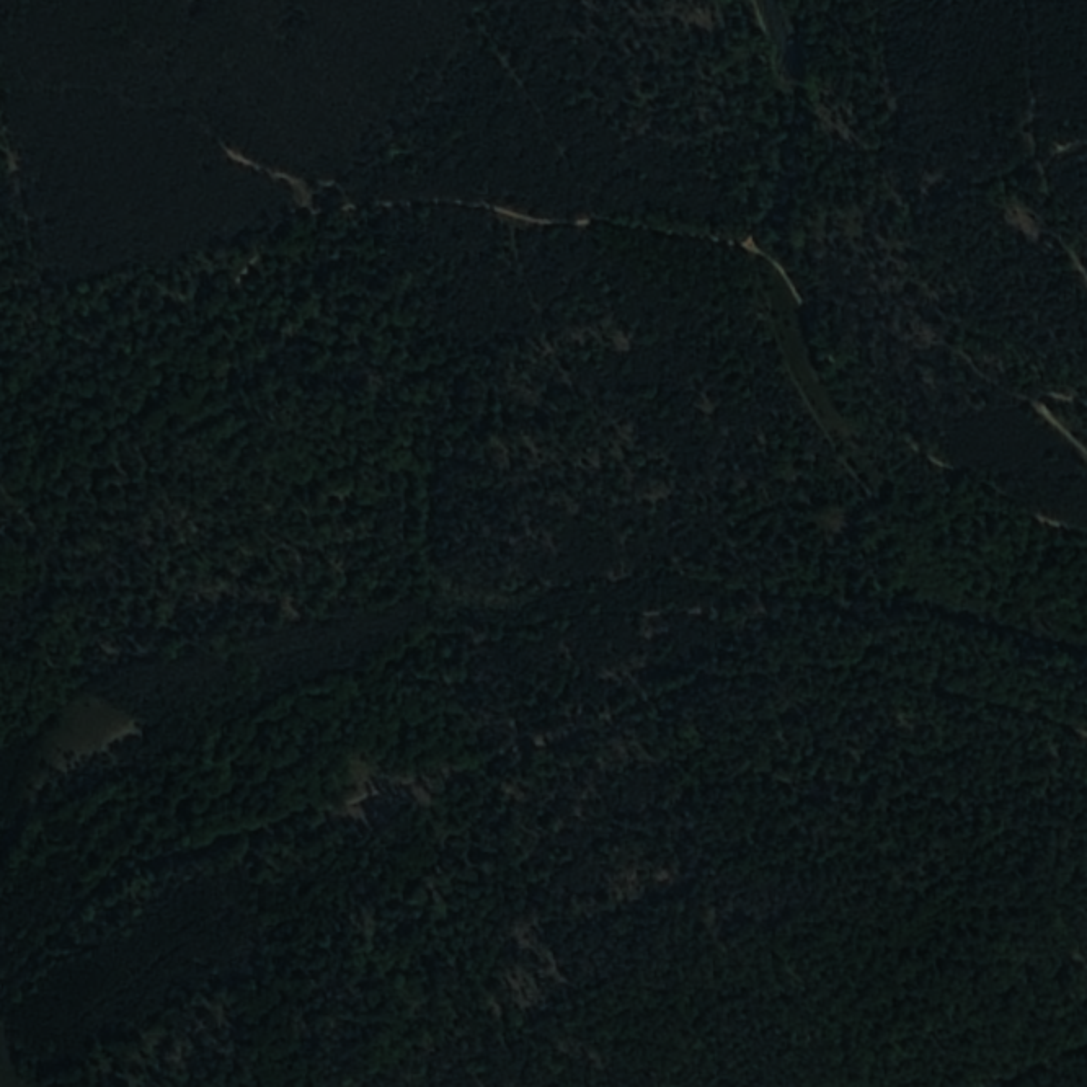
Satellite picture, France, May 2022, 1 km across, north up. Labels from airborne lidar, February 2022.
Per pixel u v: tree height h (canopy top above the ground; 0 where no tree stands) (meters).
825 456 7
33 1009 15
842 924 28
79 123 17
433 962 18
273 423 31
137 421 36
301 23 21
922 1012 27
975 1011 26
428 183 11
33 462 32
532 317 10
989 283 25
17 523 27
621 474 10
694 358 11
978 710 26
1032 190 27
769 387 15
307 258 8
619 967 22
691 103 11
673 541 11
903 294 6
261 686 20
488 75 10
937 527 24
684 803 8
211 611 19
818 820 28
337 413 29
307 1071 22
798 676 27
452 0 19
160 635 9
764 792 26
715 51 33
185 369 30
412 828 14
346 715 28
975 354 24
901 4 14
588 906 26
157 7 20
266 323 27
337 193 15
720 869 19
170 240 16
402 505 14
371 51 22
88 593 19
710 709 28
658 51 30
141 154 16
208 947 13
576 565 11
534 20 11
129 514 36
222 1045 29
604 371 10
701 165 10
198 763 26
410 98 17
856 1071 25
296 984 27
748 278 9
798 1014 25
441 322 11
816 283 28
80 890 16
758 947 27
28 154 18
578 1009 21
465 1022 22
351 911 14
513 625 10
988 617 0
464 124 11
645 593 15
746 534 18
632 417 12
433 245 11
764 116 15
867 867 28
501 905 26
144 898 11
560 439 29
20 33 18
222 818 28
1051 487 20
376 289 32
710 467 11
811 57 35
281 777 31
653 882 9
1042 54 11
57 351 27
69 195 16
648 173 11
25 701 26
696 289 13
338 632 20
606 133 11
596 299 9
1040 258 24
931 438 9
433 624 19
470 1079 10
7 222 29
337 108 21
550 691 8
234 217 17
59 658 27
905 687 27
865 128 23
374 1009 23
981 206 27
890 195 26
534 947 20
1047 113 12
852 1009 29
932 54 11
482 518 7
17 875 12
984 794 27
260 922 9
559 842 10
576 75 10
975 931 28
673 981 27
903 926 18
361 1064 26
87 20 17
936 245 26
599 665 10
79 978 15
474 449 26
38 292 23
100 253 16
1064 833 28
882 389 10
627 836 24
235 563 25
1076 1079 32
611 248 12
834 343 27
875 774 24
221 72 20
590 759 21
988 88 13
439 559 31
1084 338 29
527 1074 24
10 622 13
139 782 29
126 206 14
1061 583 23
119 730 0
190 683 16
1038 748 30
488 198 7
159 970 11
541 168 11
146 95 18
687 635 13
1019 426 11
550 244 10
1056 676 33
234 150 13
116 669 24
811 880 28
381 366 18
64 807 15
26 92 17
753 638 27
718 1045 27
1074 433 9
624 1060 22
